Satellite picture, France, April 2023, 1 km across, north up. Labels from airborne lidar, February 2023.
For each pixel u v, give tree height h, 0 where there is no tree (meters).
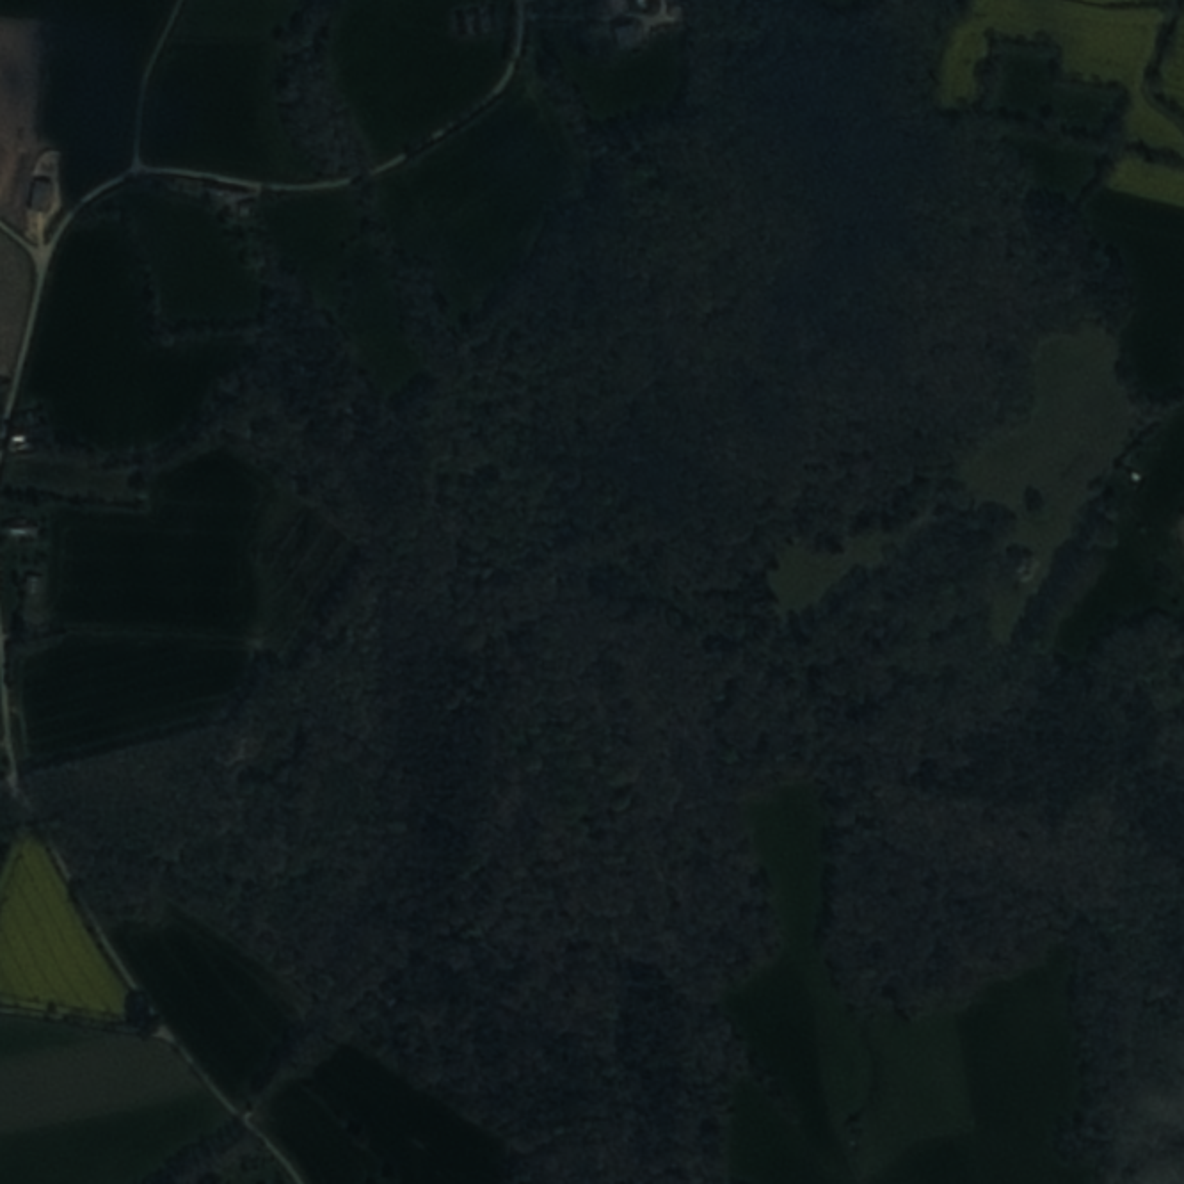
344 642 13
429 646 27
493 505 18
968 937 26
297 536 0
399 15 0
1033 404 17
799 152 19
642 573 17
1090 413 0
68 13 0
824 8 7
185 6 0
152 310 10
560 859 22
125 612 0
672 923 20
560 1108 27
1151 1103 22
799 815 0
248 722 16
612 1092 25
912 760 20
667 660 26
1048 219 21
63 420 0
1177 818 25
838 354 18
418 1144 0
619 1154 25
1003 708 17
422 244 0
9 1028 0
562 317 16
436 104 0
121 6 0
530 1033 23
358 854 22
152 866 19
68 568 0
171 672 0
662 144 20
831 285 20
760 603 16
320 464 19
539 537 15
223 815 18
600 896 24
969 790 23
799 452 16
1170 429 0
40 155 22
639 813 24
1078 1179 0
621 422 22
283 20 0
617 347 20
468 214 0
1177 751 18
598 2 14
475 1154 0
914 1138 0
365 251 0
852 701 11
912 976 27
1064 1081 0
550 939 20
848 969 18
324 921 21
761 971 0
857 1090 0
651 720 22
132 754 11
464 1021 22
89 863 13
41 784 16
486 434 13
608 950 17
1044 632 21
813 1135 0
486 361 19
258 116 0
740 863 19
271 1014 0
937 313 19
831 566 0
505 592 24
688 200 19
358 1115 0
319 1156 0
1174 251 0
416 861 23
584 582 19
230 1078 0
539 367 16
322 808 20
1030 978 0
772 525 18
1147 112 0
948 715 22
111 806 14
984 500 0
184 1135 0
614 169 21
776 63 23
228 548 0
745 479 21
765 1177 0
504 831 19
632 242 19
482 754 25
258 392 28
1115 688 21
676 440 19
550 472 20
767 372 19
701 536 9
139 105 0
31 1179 0
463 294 0
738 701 25
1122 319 13
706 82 20
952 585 17
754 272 19
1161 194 0
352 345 14
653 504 20
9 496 11
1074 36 0
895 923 27
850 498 18
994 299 15
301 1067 21
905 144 19
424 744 28
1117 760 22
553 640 21
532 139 0
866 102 19
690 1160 18
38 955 0
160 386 0
